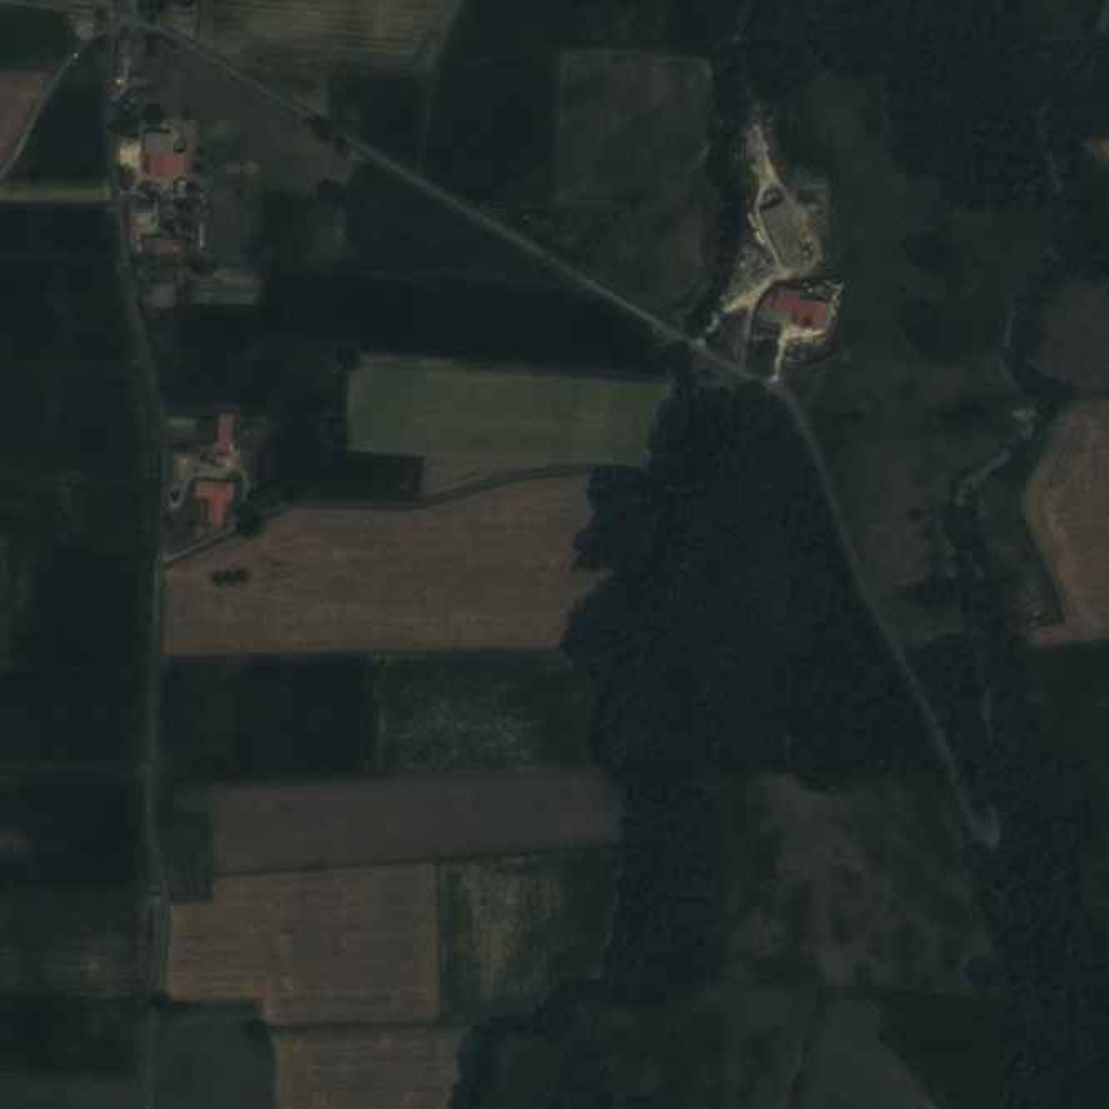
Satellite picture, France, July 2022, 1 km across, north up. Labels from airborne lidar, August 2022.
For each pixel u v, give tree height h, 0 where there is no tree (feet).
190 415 0
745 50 65
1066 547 0
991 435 0
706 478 90
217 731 0
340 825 0
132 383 0
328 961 0
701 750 75
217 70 0
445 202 0
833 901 0
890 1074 0
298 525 0
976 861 63
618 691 81
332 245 0
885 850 0
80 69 0
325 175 0
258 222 0
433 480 0
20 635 0
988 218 0
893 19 96
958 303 0
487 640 0
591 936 0
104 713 0
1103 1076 52
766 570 70
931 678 35
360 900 0
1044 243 0
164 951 0
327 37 0
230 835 0
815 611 83
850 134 0
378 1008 0
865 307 0
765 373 39
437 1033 0
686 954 64
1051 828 63
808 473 40
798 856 0
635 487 82
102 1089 0
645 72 0
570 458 0
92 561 0
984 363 0
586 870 0
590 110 0
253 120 0
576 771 0
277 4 0
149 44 30
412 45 0
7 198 0
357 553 0
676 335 0
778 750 63
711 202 0
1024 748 76
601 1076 89
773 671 59
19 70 0
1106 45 73
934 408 0
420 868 0
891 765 77
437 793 0
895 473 0
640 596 74
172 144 0
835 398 0
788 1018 0
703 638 82
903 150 88
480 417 0
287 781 0
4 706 0
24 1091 0
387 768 0
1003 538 0
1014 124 34
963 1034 0
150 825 0
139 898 0
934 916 0
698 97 0
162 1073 0
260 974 0
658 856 79
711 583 87
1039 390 72
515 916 0
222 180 0
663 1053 0
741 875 0
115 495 0
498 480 0
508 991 0
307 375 0
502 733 0
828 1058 0
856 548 0
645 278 0
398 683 0
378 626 0
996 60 75
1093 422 0
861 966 0
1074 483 0
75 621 0
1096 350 0
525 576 0
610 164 0
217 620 0
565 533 0
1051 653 0
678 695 84
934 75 68
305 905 0
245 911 0
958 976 0
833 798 0
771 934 0
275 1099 0
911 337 77
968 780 58
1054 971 40
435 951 0
